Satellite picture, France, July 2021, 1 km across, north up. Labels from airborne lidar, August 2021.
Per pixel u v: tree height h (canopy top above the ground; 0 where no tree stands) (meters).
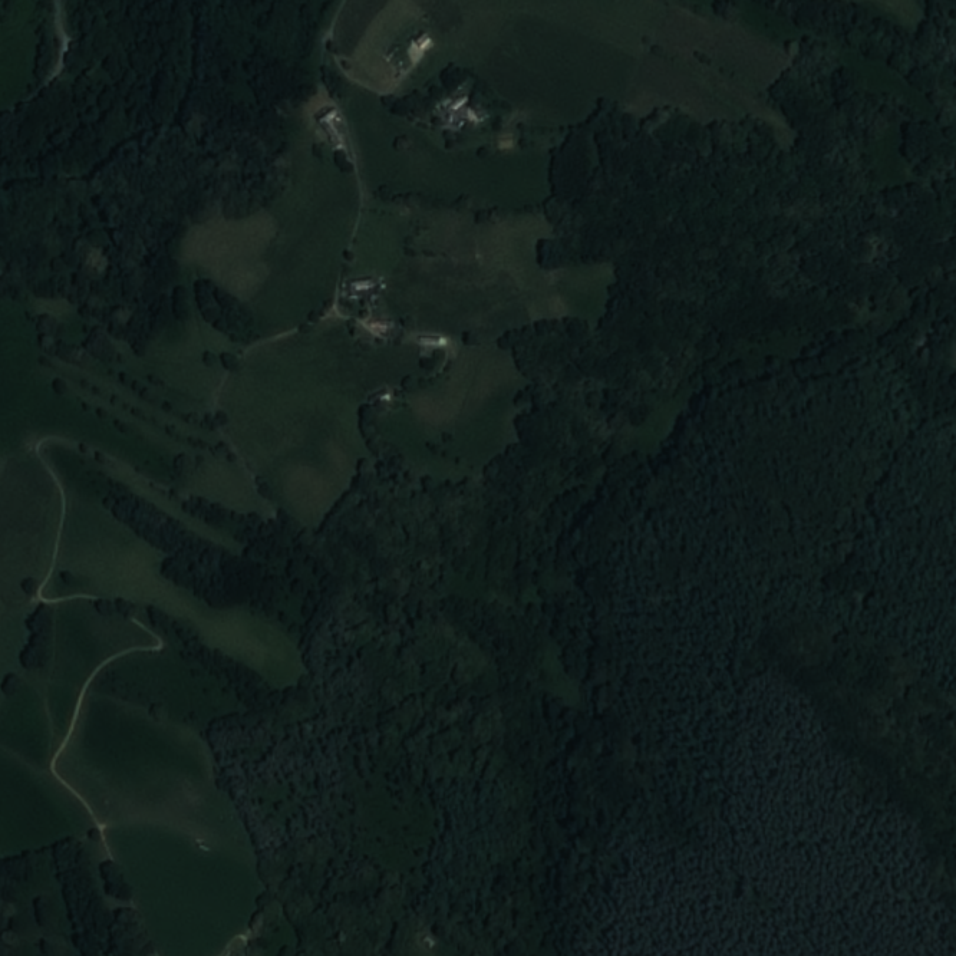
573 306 0
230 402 0
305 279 0
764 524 17
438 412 0
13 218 24
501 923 27
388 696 26
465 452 0
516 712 26
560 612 15
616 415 27
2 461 0
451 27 0
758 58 0
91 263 23
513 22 0
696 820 29
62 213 23
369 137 0
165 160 27
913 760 24
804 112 23
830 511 22
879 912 23
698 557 21
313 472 0
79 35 8
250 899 0
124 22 21
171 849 0
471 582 6
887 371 26
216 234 0
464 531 21
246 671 11
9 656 0
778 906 25
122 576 0
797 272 20
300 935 16
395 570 24
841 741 20
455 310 0
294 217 0
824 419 20
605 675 26
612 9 0
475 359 0
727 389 17
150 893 0
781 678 21
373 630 29
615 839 22
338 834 22
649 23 0
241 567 31
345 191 0
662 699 23
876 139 22
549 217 11
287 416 0
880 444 25
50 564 0
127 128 6
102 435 0
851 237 25
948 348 14
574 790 26
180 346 0
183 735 0
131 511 20
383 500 20
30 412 0
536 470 34
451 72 11
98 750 0
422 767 19
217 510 16
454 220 0
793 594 25
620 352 20
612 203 22
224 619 0
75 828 0
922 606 29
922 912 21
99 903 22
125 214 26
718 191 20
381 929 25
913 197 20
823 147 22
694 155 22
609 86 0
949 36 23
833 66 25
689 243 13
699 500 21
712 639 26
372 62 0
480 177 0
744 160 22
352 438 0
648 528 28
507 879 24
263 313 0
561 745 8
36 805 0
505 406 0
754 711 19
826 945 20
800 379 25
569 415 22
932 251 25
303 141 0
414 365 0
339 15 0
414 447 0
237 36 14
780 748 22
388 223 0
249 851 0
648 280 16
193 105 26
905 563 26
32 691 0
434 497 21
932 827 23
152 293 21
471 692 7
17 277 23
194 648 12
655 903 19
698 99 0
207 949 0
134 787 0
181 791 0
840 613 28
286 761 22
